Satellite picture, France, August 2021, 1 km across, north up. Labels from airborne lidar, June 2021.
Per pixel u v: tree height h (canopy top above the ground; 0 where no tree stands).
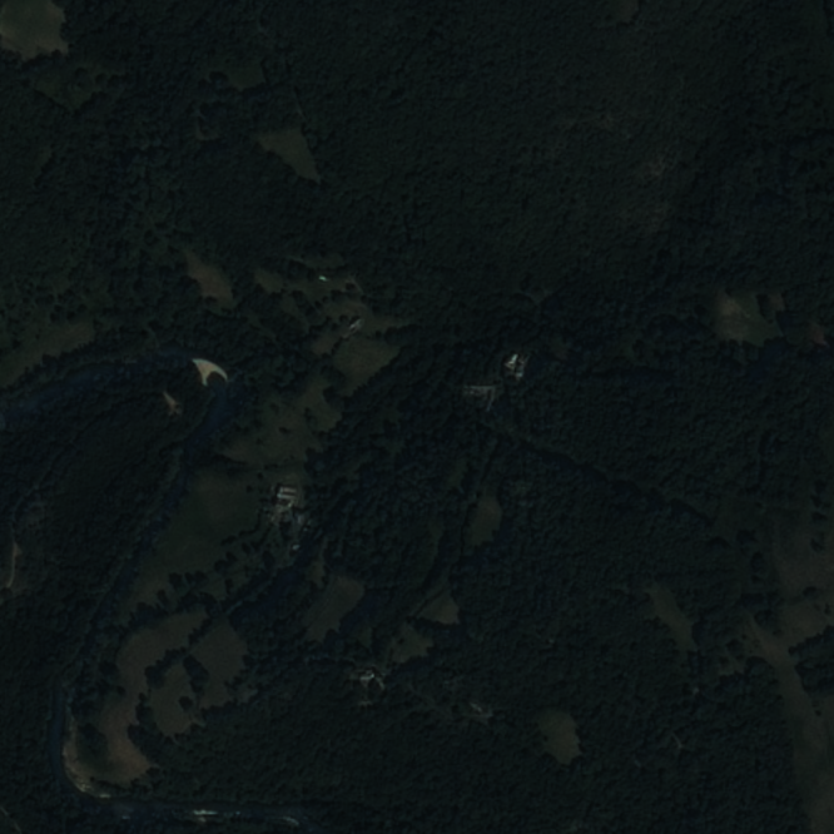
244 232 15
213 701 0
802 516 0
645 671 22
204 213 19
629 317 22
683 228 31
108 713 0
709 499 25
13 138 20
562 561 23
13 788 24
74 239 15
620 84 12
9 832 18
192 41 23
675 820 23
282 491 0
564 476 21
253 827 7
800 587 0
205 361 0
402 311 15
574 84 14
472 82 26
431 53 27
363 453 31
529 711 21
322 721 16
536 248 26
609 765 20
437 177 19
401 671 15
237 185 23
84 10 23
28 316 12
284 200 18
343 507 21
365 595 0
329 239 24
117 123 24
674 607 0
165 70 21
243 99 14
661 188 21
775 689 16
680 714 21
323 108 22
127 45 24
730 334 0
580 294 29
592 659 20
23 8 0
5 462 11
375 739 26
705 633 24
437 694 8
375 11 29
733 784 22
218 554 0
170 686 0
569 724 0
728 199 21
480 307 24
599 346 22
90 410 14
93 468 14
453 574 15
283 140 0
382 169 22
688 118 24
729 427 21
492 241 21
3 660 20
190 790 22
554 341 13
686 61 20
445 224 21
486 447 20
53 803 23
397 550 21
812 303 23
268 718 10
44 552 10
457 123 20
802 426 10
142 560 17
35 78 23
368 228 24
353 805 10
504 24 17
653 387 26
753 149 10
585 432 27
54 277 20
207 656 0
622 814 18
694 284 20
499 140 9
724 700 26
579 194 25
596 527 19
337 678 14
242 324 26
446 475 19
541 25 18
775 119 6
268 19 16
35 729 26
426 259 11
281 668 18
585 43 15
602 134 17
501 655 17
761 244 25
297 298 18
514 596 19
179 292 21
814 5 0
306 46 24
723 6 23
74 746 0
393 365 14
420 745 25
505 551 17
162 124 20
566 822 20
